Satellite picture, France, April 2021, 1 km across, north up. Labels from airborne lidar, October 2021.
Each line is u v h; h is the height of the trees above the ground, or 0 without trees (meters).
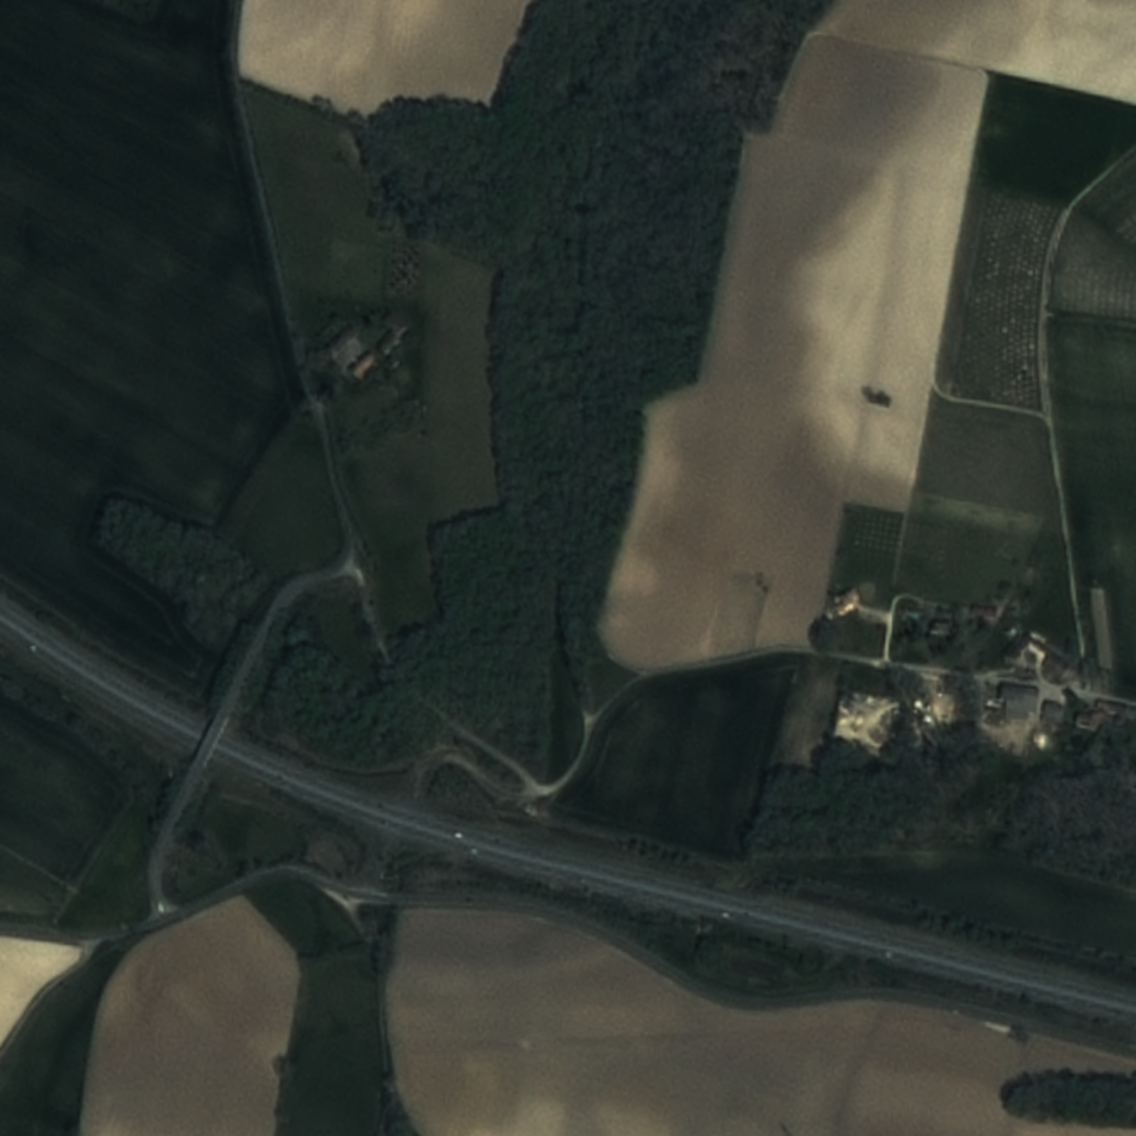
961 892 0
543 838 0
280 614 7
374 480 0
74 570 0
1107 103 0
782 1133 0
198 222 0
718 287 15
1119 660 0
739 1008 0
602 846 0
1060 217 0
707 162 21
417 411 10
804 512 0
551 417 29
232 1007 0
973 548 0
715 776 0
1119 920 0
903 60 0
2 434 0
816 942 0
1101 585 0
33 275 0
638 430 14
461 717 21
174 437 0
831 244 0
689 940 0
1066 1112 18
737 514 0
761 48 8
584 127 28
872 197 0
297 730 16
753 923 0
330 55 0
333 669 15
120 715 0
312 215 0
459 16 0
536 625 26
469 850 0
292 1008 0
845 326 0
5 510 0
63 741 0
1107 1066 0
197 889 0
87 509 0
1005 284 0
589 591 19
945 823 13
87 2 0
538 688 24
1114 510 0
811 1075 0
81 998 0
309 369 7
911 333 0
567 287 26
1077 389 0
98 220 0
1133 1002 0
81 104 0
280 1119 11
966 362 0
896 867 0
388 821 0
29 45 0
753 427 0
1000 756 0
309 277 0
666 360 21
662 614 0
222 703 6
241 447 0
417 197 9
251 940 0
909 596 0
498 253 21
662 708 0
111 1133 0
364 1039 0
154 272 0
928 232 0
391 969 17
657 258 20
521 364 21
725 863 0
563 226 28
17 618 0
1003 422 0
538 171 28
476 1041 0
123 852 0
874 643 0
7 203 0
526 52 16
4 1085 0
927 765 20
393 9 0
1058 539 0
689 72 20
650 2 15
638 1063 0
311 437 0
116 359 0
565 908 6
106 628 0
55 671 0
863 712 0
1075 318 0
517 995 0
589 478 27
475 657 24
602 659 14
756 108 19
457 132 21
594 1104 0
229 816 0
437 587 9
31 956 0
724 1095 0
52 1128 0
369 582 0
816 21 10
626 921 8
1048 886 0
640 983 0
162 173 0
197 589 22
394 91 0
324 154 0
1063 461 0
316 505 0
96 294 0
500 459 16
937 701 0
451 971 0
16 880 0
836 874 0
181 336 0
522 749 12
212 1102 0
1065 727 8
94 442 0
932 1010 0
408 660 16
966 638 16
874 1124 0
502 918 0
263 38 0
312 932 0
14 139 0
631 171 22
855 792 27
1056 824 28
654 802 0
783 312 0
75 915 0
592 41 23
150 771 0
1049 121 0
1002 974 0
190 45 0
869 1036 0
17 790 0
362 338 0
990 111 0
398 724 23
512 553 24
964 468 0
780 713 0
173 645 0
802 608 0
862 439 0
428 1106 0
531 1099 0
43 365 0
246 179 0
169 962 0
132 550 21
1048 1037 0
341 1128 0
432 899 0
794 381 0
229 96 0
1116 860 15
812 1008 0
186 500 0
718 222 17
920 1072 0
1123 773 19
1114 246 0
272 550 0
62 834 0
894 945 0
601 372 26
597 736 0
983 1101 0
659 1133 0
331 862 0
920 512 0
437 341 0
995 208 0
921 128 0
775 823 18
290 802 6
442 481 0
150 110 0
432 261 0
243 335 0
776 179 0
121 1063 0
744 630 0
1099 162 0
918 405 0
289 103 8
